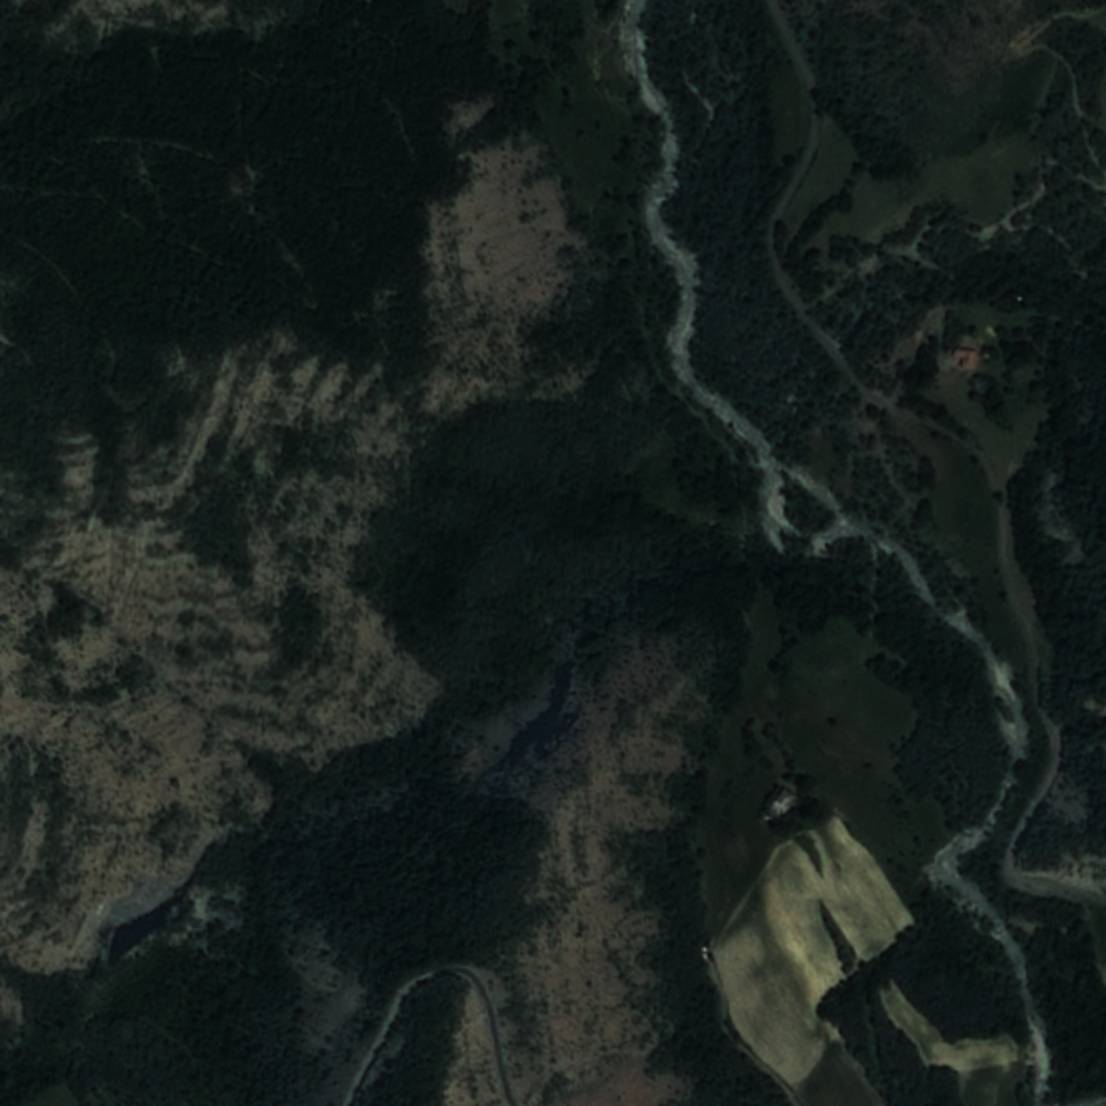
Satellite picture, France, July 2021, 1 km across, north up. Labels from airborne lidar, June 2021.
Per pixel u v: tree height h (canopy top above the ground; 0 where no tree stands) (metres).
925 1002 17
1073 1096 8
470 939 11
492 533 18
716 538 9
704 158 12
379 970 7
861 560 13
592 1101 0
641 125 15
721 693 14
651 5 6
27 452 9
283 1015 11
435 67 12
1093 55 9
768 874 0
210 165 10
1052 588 13
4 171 15
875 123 13
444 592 18
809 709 0
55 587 8
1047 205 11
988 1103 0
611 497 12
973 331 10
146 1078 12
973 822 8
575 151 0
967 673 13
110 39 8
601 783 0
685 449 7
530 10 6
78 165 8
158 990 7
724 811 0
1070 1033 12
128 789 0
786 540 15
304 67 11
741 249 14
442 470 14
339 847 11
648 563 13
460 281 6
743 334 10
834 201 7
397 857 19
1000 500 12
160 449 0
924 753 15
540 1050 6
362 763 20
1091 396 7
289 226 13
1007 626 0
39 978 6
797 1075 0
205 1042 10
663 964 9
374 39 11
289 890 10
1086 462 15
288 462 7
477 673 13
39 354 10
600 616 9
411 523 13
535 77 12
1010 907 11
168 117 10
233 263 14
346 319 8
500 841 14
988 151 0
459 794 14
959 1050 0
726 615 19
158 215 8
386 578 6
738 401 9
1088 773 11
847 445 7
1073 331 12
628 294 8
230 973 17
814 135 0
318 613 11
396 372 8
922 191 0
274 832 13
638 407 14
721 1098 10
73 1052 9
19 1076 6
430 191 9
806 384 8
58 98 10
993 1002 8
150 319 12
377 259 9
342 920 10
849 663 0
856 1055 11
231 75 9
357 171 8
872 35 10
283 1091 9
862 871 0
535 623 16
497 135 11
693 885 16
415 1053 11
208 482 7
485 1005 0
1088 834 7
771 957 0
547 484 12
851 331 6
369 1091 7
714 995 14
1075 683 14
